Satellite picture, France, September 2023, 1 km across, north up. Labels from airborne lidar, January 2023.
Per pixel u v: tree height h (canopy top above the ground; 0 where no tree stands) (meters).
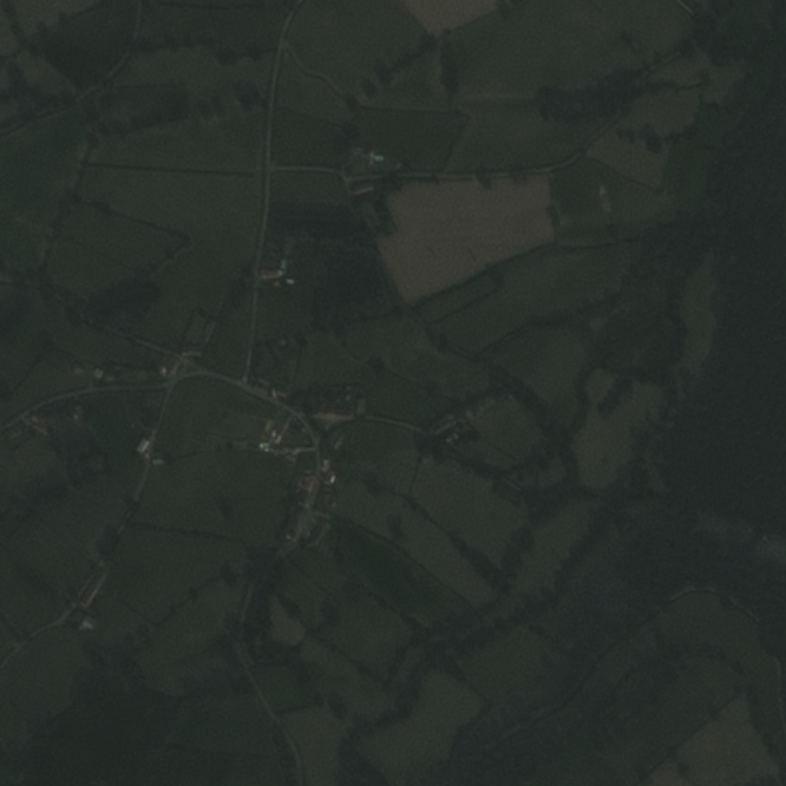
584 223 0
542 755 27
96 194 0
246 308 0
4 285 0
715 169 10
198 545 0
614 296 11
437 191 0
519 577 0
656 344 0
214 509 0
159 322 0
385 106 0
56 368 0
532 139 0
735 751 0
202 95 0
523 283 0
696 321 0
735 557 22
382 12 0
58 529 0
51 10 0
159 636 0
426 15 0
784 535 17
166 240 0
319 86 0
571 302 0
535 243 0
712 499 15
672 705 0
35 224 0
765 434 15
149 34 0
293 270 0
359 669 11
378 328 0
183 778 0
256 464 0
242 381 0
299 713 0
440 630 16
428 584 0
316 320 18
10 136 0
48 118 0
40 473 0
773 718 0
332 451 0
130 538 0
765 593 18
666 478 15
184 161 0
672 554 8
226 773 0
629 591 21
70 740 0
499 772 19
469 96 0
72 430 0
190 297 0
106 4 10
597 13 0
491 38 0
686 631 0
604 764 0
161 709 0
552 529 0
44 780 0
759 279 18
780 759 0
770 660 0
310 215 11
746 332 22
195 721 0
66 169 0
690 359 0
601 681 0
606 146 0
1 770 0
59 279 0
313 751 0
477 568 20
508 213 0
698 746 0
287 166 0
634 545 21
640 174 0
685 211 0
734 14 0
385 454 0
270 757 0
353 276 12
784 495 17
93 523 0
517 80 0
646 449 26
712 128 0
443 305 0
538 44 0
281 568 7
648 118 0
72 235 0
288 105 0
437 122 0
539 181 0
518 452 0
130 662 23
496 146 0
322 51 0
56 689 0
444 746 0
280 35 0
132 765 0
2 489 0
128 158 0
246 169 0
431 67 0
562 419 0
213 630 0
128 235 0
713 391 21
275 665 0
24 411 0
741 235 6
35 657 0
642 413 0
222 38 0
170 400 0
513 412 0
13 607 0
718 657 13
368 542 0
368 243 13
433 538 0
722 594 12
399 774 0
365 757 0
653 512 0
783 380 15
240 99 20
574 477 9
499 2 15
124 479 0
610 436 0
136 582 0
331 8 0
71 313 14
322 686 0
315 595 0
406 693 17
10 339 0
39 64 0
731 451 14
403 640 0
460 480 0
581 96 14
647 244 12
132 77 0
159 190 0
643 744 0
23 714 0
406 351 0
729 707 0
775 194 12
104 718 0
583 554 15
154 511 0
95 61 0
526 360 0
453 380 0
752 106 0
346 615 0
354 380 0
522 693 0
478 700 0
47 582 0
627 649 0
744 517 20
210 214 0
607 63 0
